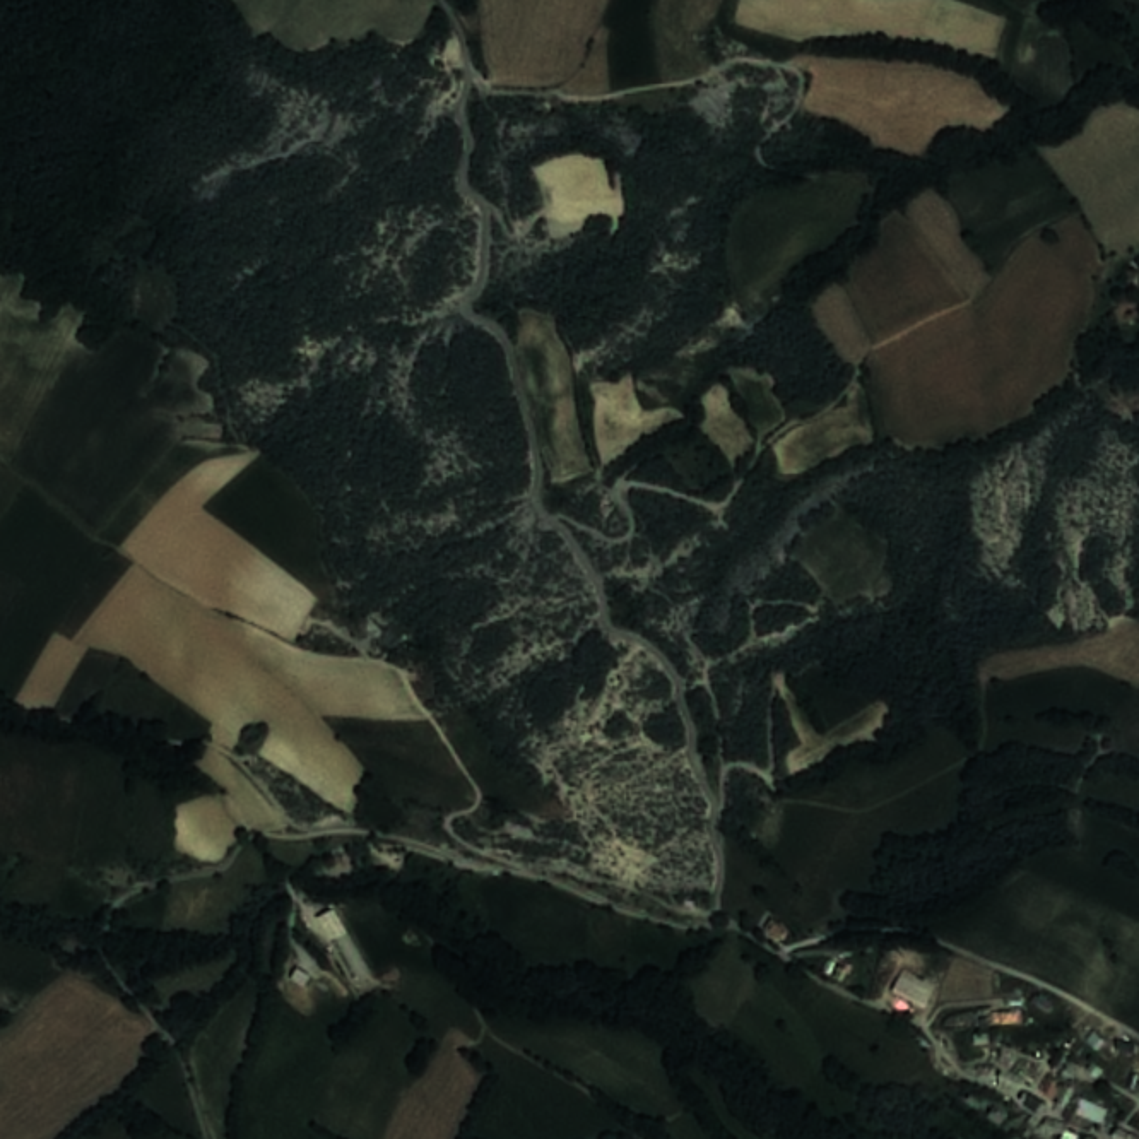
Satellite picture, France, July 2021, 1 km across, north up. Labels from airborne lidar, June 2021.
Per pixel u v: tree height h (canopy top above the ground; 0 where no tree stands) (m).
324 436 8
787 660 7
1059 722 14
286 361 8
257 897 13
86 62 19
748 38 0
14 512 0
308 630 0
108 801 0
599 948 0
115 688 0
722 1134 13
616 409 0
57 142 23
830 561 0
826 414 0
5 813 0
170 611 0
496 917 0
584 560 0
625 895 0
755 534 6
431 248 6
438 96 0
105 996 0
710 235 7
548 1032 0
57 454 0
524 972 16
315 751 0
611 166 10
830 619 7
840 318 0
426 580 7
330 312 6
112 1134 0
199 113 9
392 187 6
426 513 6
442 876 6
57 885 0
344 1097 0
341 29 0
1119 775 7
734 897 0
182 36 17
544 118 7
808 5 0
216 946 15
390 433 8
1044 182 0
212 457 0
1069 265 0
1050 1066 6
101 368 0
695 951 12
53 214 18
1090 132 0
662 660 0
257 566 0
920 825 0
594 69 0
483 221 0
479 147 9
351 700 0
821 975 6
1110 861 10
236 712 0
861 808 0
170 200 8
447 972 11
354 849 10
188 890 0
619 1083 0
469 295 0
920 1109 11
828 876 0
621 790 0
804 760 0
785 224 0
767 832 0
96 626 0
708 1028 15
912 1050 0
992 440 9
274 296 9
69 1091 0
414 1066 18
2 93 17
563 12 0
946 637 6
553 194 0
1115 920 0
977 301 0
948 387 0
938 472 8
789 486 9
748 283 0
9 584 0
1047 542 7
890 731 13
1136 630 0
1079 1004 0
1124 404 0
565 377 0
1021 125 16
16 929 11
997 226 0
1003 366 0
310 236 6
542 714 8
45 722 23
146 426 0
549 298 8
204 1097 0
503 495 6
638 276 7
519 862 0
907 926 9
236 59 8
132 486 0
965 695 10
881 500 10
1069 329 0
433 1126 0
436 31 8
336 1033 18
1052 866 0
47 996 0
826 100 0
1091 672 0
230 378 6
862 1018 0
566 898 0
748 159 7
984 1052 0
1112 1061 0
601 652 6
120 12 28
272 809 0
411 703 0
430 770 0
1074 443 6
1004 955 0
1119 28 20
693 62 0
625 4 0
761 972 12
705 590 6
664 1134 13
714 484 7
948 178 8
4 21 21
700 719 7
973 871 14
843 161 7
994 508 0
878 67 0
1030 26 0
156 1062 12
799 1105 25
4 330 0
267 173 8
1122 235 0
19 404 0
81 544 0
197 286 8
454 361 8
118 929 14
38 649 0
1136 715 0
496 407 7
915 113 0
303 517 0
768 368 7
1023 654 0
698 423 8
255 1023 12
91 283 18
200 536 0
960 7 0
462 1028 0
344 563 6
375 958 0
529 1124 0
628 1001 17
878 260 0
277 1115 0
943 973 0
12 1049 0
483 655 6
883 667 12
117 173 15
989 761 10
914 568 8
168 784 11
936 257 0
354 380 8
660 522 8
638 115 5
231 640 0
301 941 10
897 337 0
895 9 0
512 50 0
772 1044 0
